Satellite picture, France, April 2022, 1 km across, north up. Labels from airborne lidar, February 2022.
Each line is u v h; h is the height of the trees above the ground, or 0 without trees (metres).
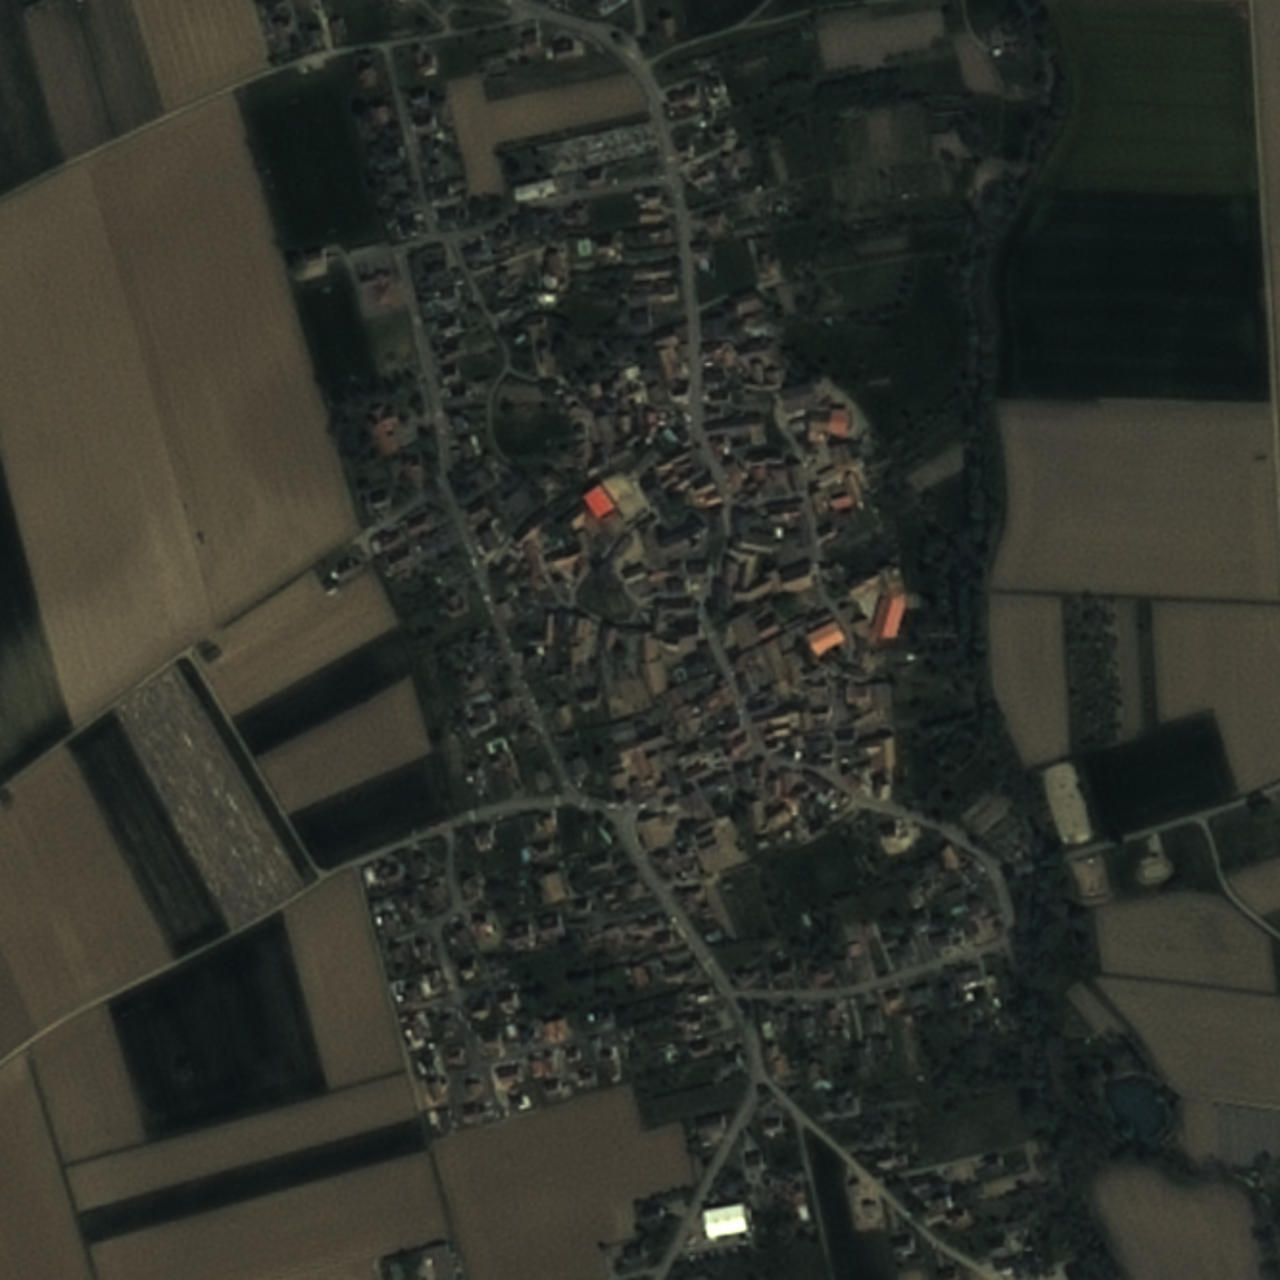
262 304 0
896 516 0
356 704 0
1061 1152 22
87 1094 0
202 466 0
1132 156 0
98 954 0
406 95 7
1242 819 0
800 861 0
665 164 0
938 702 0
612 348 9
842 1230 0
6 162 0
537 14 0
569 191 0
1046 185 0
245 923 0
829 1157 0
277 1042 0
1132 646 0
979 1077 11
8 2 0
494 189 0
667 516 13
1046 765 0
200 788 0
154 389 0
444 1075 0
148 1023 0
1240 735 0
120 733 0
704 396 0
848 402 0
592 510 0
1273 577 0
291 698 0
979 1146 0
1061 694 0
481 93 0
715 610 14
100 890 0
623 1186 0
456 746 0
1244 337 0
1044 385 0
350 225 0
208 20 0
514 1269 0
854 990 0
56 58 0
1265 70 0
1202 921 0
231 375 0
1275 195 0
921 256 0
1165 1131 0
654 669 0
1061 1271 0
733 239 0
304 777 0
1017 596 0
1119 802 0
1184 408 0
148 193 0
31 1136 0
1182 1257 0
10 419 0
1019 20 10
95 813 0
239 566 0
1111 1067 11
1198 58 0
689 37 0
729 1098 0
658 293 0
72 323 0
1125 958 0
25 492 0
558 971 0
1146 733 0
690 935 0
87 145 0
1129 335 0
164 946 0
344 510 0
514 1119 0
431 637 7
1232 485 0
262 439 0
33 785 0
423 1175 0
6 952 0
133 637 0
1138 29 0
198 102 0
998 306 0
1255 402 0
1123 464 0
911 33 0
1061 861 16
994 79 0
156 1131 0
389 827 0
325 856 0
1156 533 0
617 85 0
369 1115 0
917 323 0
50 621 0
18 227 0
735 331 7
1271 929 0
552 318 5
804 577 0
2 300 0
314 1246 0
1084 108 0
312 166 0
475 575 0
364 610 0
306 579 0
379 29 0
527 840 0
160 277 0
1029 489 0
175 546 0
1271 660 0
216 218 0
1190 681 0
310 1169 0
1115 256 0
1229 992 0
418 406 11
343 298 0
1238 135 0
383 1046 0
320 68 0
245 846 0
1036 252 0
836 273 0
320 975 0
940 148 0
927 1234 0
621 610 0
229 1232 0
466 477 11
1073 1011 0
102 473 0
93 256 0
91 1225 0
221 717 0
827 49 0
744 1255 8
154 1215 0
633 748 0
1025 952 17
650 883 0
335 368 0
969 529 22
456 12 0
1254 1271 0
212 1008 0
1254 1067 0
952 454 0
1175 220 0
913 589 0
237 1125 0
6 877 0
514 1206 0
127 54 0
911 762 0
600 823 10
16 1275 0
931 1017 8
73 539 0
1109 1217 0
